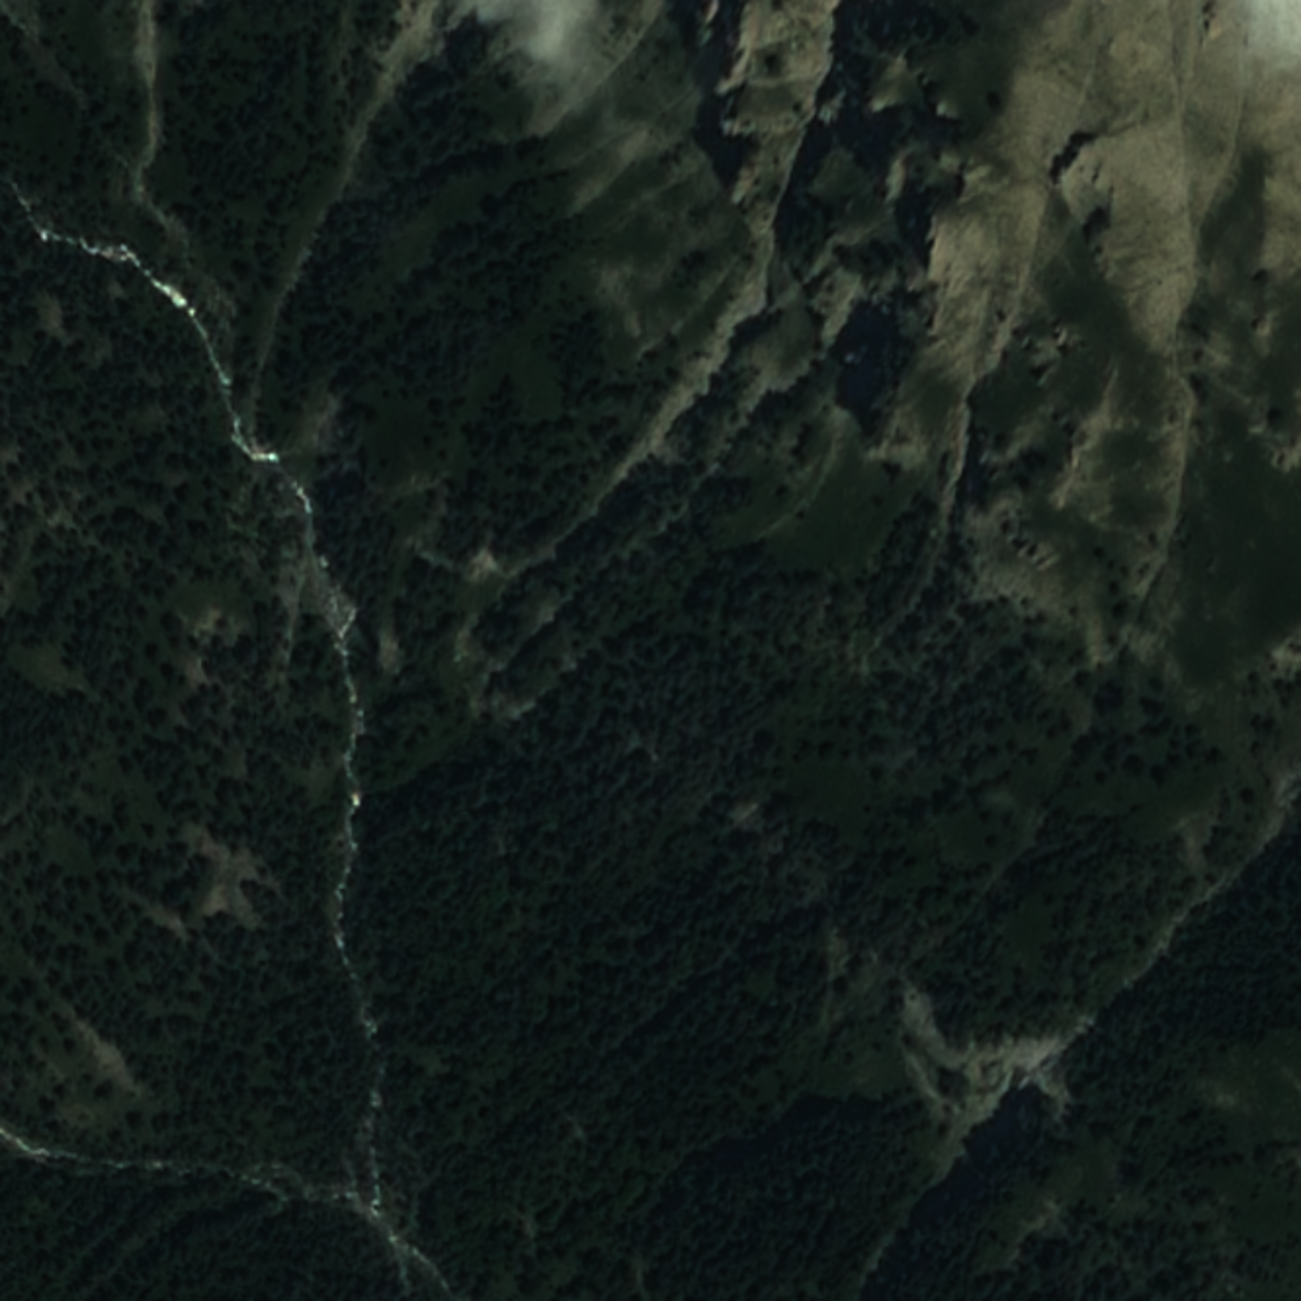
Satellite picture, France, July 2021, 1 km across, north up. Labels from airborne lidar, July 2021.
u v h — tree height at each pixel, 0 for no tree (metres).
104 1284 6
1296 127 0
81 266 22
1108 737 8
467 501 21
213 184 10
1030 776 0
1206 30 0
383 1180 9
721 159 0
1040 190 0
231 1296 8
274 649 24
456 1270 27
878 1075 0
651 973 17
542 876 13
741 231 0
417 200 19
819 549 0
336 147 7
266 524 15
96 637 30
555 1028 18
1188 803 0
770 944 21
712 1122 12
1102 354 0
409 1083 12
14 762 22
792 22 0
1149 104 0
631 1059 19
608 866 10
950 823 0
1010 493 0
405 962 21
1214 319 0
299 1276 29
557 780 14
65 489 16
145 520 21
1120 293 0
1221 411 0
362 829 11
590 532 11
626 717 8
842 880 12
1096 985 9
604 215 0
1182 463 0
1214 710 0
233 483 11
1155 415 0
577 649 10
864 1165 21
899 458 0
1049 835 12
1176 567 0
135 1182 15
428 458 0
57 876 23
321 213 0
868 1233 18
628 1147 17
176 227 0
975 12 0
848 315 0
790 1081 6
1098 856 5
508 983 25
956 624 12
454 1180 13
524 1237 19
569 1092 18
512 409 12
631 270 0
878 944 8
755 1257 19
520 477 13
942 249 0
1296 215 0
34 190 15
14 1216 13
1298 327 0
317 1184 8
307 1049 13
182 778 26
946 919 22
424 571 24
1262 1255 7
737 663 23
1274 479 0
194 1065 15
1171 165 0
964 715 25
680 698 13
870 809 9
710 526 20
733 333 0
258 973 22
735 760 7
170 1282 9
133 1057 25
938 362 0
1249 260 0
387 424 0
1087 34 0
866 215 0
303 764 6
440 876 16
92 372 12
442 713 13
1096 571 0
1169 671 0
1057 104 0
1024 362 0
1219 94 0
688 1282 19
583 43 0
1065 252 0
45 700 18
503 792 13
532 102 0
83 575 24
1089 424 0
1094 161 0
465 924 18
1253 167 0
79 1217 8
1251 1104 0
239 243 8
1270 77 0
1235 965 7
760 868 12
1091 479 0
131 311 30
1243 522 0
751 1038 14
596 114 0
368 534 16
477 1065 16
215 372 7
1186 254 0
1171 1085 15
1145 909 10
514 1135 17
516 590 7
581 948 13
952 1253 21
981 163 0
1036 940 0
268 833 24
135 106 8
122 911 12
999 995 9
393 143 25
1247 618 0
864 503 0
